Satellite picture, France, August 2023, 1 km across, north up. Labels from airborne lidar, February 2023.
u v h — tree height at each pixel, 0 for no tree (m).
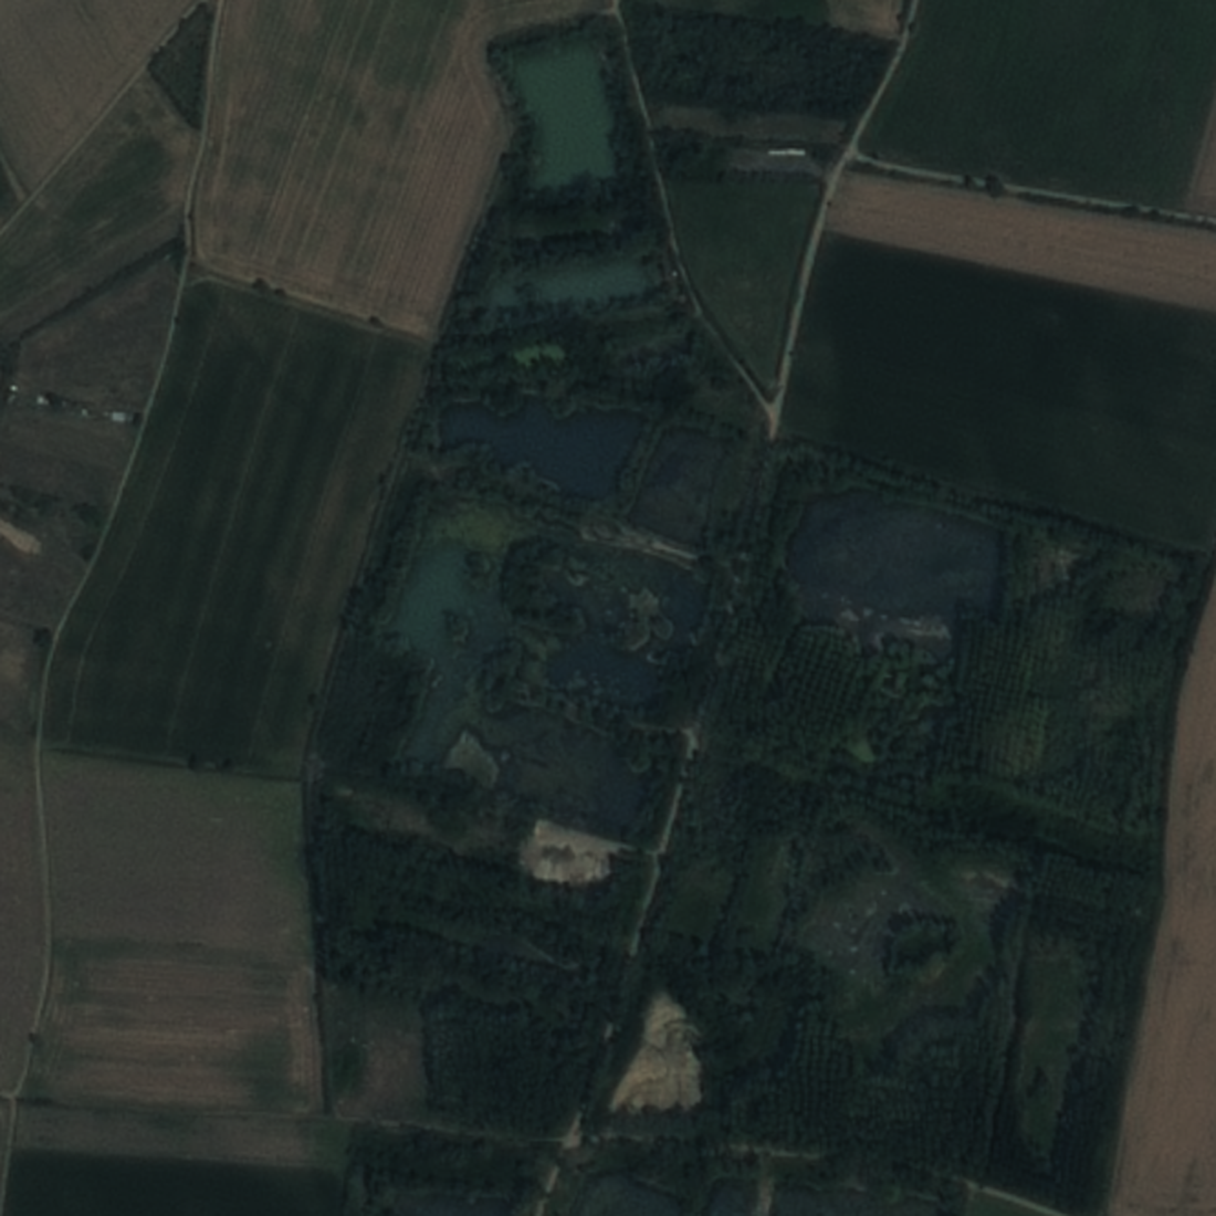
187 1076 0
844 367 0
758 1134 28
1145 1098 0
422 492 10
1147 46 0
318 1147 0
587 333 12
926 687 7
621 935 23
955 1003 0
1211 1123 0
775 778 14
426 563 0
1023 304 0
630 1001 19
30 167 0
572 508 11
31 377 0
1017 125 0
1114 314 0
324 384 0
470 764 0
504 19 0
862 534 0
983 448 0
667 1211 0
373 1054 0
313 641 0
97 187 0
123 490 0
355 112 0
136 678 0
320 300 0
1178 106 0
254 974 0
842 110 13
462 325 14
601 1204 0
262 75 0
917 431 0
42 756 0
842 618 0
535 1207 24
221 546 0
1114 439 0
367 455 0
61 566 0
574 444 0
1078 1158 25
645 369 16
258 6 0
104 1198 0
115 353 0
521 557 16
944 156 0
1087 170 0
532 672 0
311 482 0
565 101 0
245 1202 0
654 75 17
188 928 0
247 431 0
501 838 0
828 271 0
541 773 0
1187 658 11
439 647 0
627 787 0
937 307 0
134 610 0
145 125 0
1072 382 0
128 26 0
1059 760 7
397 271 0
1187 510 0
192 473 0
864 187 0
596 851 0
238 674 0
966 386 0
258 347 0
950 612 0
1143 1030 0
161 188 0
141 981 0
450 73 0
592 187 20
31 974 0
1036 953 29
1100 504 0
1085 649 13
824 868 28
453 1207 0
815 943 0
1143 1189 0
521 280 0
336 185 0
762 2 0
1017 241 0
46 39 0
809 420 0
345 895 18
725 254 0
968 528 0
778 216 0
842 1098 36
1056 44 0
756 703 32
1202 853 0
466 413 0
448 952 15
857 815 28
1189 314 0
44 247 0
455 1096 29
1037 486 0
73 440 0
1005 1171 30
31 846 0
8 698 0
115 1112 0
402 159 0
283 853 0
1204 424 0
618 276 0
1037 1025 0
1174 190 0
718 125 0
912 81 0
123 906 0
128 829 0
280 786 0
